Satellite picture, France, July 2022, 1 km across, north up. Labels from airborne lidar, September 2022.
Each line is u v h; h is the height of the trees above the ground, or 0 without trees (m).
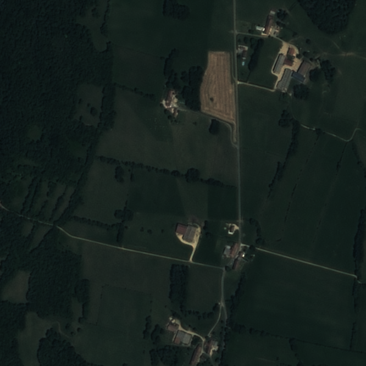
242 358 0
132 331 0
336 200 0
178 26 0
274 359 0
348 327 0
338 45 0
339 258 0
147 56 0
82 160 9
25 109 15
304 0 19
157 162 0
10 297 0
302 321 0
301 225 0
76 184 11
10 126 23
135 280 0
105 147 0
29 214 15
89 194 0
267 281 0
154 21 0
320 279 0
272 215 0
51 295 16
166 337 0
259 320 0
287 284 0
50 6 12
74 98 14
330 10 20
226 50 0
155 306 0
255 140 0
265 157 0
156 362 15
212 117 0
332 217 0
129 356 0
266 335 9
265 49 0
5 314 20
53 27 21
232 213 0
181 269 18
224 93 0
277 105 0
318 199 0
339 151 0
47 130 16
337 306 0
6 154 15
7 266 15
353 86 0
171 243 0
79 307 0
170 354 23
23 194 0
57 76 7
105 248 0
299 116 0
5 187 17
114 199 0
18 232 16
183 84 0
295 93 15
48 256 12
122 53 0
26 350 0
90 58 10
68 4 6
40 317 14
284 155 0
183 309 17
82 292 13
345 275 0
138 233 0
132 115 0
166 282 0
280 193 0
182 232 0
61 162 21
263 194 0
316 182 0
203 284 0
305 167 0
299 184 0
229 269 11
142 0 0
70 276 16
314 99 0
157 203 0
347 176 0
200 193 0
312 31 0
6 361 15
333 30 12
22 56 9
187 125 0
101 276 0
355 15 0
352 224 0
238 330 16
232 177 0
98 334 0
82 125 18
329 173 0
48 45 7
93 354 0
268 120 0
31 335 0
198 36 0
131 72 0
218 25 0
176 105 0
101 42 0
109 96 16
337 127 0
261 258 0
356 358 0
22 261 16
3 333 16
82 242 0
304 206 0
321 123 0
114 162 16
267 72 0
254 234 0
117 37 0
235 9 0
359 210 0
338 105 0
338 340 0
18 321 20
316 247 0
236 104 0
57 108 17
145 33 0
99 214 0
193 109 14
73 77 12
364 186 0
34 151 17
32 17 19
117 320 0
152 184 0
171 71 9
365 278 0
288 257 0
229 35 0
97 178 0
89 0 12
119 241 15
